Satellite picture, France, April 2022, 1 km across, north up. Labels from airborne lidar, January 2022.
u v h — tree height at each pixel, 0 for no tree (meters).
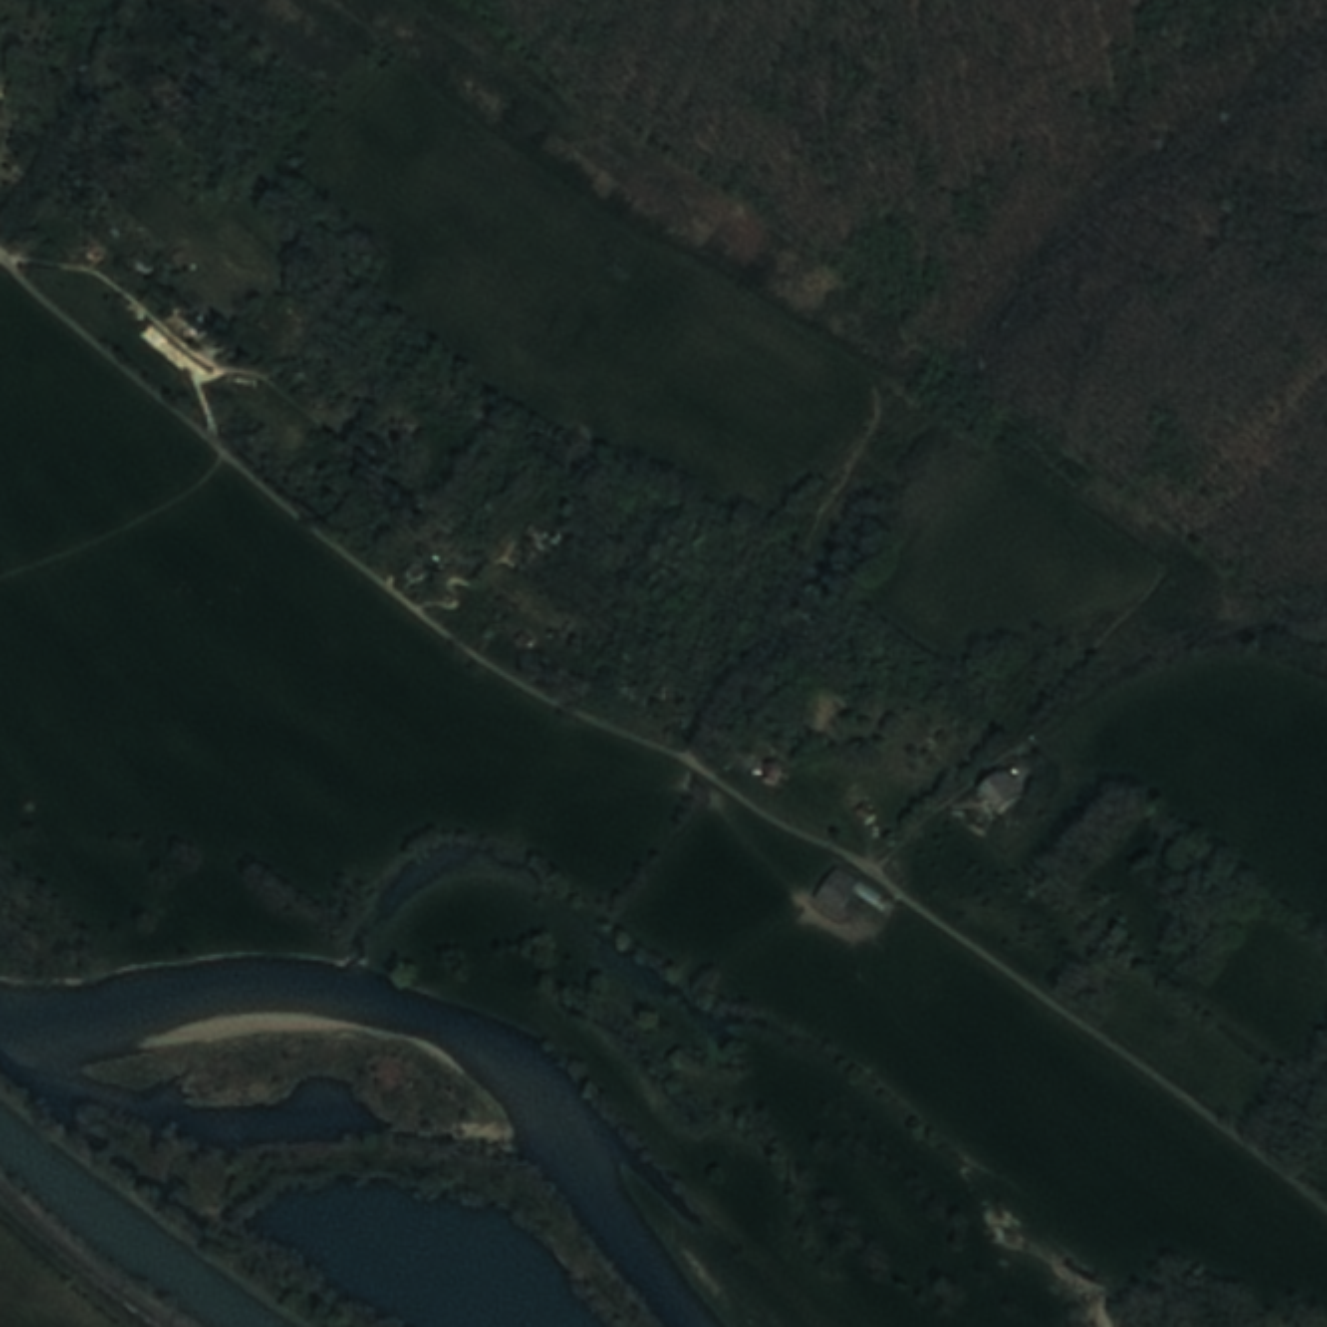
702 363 0
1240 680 0
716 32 19
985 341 21
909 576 0
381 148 0
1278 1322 11
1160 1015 0
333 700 0
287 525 0
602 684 6
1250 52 18
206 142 10
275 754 0
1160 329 18
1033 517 0
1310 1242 0
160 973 0
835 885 0
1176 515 17
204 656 0
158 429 0
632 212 0
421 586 7
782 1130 0
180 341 0
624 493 26
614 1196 0
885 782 0
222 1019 0
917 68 18
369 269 25
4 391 0
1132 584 0
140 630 0
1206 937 18
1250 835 0
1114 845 22
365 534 9
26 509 0
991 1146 0
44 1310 0
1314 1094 25
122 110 0
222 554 0
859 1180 0
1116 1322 8
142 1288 11
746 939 0
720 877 0
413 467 17
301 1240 0
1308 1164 14
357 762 0
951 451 0
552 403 0
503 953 13
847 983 0
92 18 15
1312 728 0
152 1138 16
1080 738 0
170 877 11
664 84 19
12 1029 0
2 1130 0
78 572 0
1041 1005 0
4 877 21
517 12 16
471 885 0
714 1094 0
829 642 18
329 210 24
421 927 0
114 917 0
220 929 0
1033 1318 0
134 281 15
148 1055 0
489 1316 0
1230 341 19
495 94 0
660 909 0
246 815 0
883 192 18
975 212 17
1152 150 21
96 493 0
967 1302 19
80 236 0
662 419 0
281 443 7
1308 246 16
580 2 19
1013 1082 0
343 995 0
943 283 17
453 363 18
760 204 14
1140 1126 0
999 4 19
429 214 0
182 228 0
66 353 0
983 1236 0
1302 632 20
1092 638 0
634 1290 7
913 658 12
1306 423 18
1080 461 13
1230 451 17
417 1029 0
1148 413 16
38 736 0
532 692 0
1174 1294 20
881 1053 0
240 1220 19
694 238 0
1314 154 16
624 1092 0
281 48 0
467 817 0
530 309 0
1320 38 19
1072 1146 0
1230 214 18
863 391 0
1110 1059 0
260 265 0
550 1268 0
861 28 16
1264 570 19
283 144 8
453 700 0
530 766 0
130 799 0
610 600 24
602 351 0
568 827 0
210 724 0
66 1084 0
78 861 0
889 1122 0
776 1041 0
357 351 24
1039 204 21
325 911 16
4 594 0
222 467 0
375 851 0
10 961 20
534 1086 0
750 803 0
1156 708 0
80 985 0
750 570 27
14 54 18
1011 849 0
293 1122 0
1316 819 0
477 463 18
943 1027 0
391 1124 0
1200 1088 0
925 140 20
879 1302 0
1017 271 22
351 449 16
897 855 0
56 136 21
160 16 15
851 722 12
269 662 0
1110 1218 0
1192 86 19
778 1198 0
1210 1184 0
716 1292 0
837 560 22
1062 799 0
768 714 17
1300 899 0
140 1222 0
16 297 0
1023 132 16
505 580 0
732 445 0
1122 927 12
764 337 0
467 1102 0
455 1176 13
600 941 0
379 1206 0
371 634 0
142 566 0
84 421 0
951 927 0
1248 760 0
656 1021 16
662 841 0
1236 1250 0
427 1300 0
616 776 0
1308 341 18
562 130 0
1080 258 21
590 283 0
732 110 17
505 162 0
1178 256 19
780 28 18
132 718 0
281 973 0
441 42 0
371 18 0
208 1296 0
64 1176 0
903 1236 0
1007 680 17
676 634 19
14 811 0
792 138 20
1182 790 0
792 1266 0
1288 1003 0
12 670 0
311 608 0
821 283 0
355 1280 0
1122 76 12
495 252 0
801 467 0
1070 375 20
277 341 0
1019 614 0
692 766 0
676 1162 0
